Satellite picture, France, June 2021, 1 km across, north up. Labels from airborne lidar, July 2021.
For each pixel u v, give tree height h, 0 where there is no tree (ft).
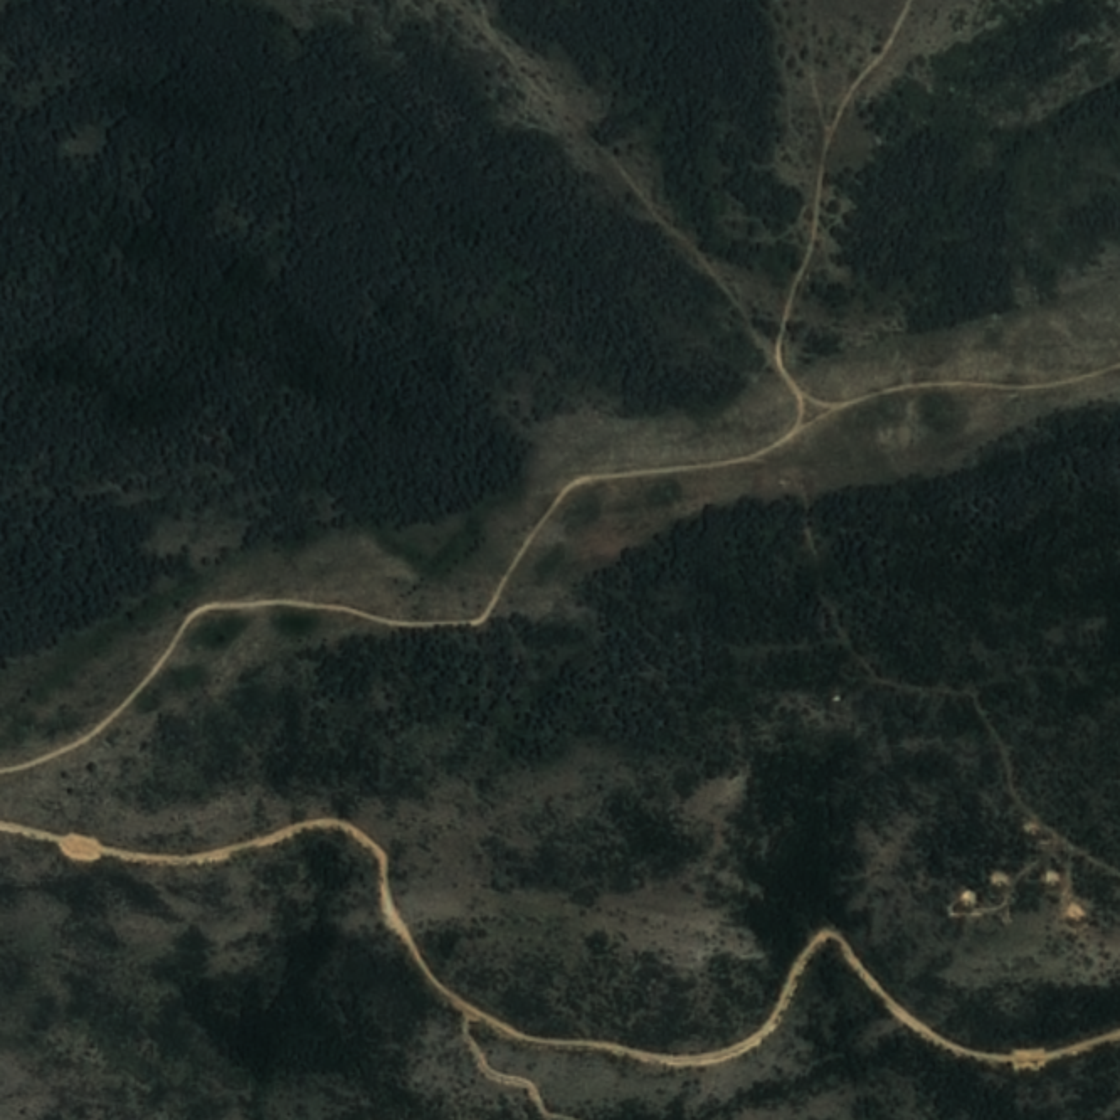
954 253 26
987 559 21
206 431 39
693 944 0
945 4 0
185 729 0
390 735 24
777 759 30
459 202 45
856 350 0
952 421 0
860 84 0
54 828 0
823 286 20
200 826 0
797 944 35
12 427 35
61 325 32
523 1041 0
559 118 0
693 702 26
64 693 0
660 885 0
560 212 36
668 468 0
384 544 0
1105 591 28
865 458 0
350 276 44
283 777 23
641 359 32
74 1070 0
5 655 42
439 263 36
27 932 0
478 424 31
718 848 0
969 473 22
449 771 19
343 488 28
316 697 23
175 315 49
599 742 0
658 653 18
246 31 44
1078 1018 21
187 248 47
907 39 0
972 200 22
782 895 23
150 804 0
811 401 0
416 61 26
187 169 53
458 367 36
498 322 23
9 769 0
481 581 0
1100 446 31
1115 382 0
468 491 31
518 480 27
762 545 42
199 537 0
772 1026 0
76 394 32
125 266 30
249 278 54
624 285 22
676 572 33
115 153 34
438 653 31
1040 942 0
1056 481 36
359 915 0
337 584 0
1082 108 34
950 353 0
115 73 44
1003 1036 27
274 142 49
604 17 31
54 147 33
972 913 0
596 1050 0
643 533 0
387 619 0
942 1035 0
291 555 0
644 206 0
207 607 0
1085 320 0
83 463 18
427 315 33
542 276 36
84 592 51
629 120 24
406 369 30
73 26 41
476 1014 0
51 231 47
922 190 23
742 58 29
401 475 47
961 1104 24
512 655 24
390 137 37
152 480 17
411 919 0
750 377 0
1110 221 22
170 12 36
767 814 23
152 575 36
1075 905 0
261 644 0
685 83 29
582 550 0
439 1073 0
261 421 30
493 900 0
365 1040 21
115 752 0
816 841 41
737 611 33
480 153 34
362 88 33
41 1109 0
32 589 43
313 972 31
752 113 23
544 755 28
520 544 0
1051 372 0
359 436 41
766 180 21
